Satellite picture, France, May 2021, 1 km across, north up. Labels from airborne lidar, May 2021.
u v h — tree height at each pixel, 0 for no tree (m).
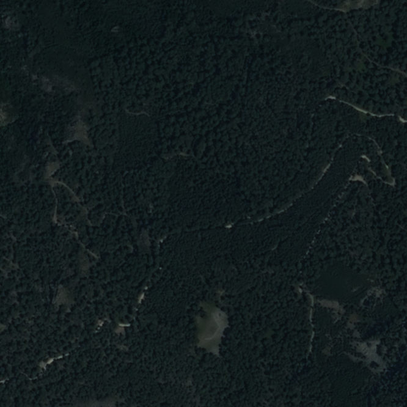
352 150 15
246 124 36
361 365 9
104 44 10
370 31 27
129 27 21
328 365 9
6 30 11
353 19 27
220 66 41
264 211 25
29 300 27
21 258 26
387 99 38
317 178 27
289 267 29
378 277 23
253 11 13
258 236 13
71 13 34
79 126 0
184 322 31
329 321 7
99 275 30
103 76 23
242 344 25
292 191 28
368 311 11
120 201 20
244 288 35
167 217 25
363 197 32
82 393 17
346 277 6
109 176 26
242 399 30
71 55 6
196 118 27
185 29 34
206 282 9
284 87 32
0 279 30
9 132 7
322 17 31
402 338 17
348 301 10
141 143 13
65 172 17
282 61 8
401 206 27
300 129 30
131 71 34
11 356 26
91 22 9
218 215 25
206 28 34
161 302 17
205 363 23
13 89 14
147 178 24
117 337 19
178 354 25
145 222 18
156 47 9
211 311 0
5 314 27
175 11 13
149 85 33
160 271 26
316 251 25
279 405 28
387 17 27
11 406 24
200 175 16
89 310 28
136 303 29
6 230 14
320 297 10
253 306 27
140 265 31
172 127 30
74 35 10
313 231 17
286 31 22
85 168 30
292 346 28
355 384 9
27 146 8
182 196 16
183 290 23
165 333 26
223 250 23
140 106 10
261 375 27
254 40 23
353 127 13
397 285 22
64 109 10
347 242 24
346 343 10
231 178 22
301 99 31
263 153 36
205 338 0
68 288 15
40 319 29
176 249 19
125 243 31
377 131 12
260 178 36
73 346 23
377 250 31
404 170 18
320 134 29
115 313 29
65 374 23
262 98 31
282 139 33
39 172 14
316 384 30
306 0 5
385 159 18
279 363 32
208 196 16
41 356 26
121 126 11
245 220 22
